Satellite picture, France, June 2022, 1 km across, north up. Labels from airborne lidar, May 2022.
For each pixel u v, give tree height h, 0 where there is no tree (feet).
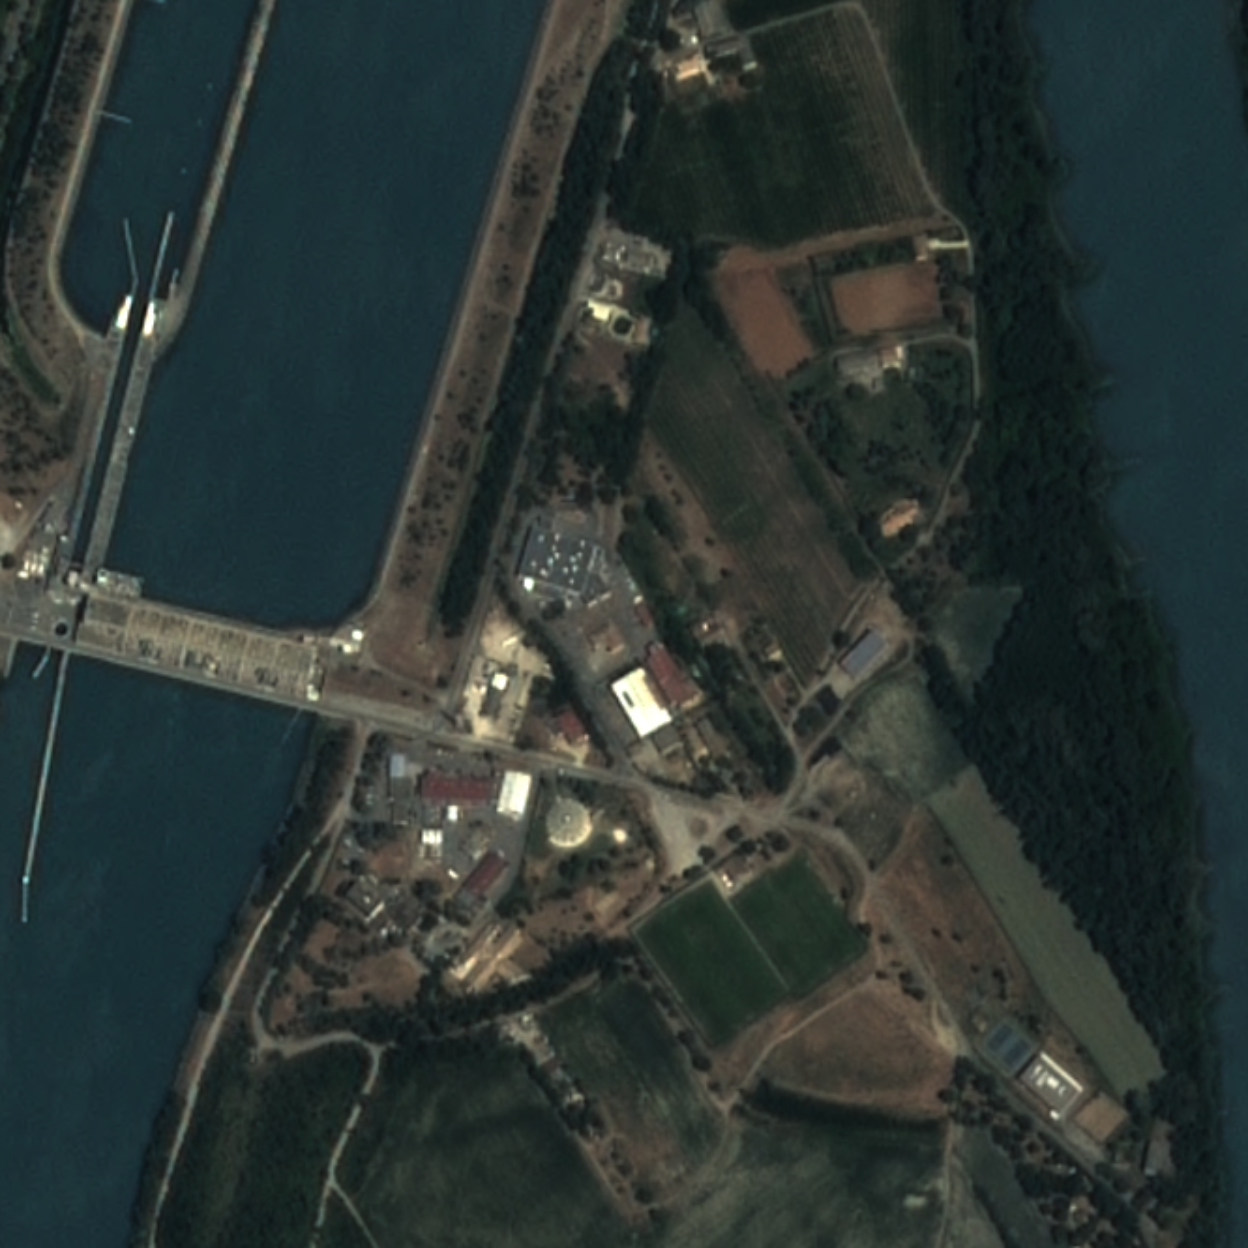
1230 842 0
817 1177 0
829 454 29
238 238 0
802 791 0
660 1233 0
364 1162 37
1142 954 69
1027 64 39
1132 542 0
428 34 0
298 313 0
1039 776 73
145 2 0
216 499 0
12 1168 0
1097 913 64
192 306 0
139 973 0
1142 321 0
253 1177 21
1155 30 0
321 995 23
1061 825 83
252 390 0
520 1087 0
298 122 0
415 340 0
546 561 0
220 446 0
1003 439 36
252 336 0
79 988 0
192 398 0
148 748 0
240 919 46
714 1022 0
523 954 0
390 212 0
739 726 42
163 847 0
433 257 0
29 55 55
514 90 0
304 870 22
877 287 0
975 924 0
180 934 0
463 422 21
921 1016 0
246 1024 26
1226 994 0
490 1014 46
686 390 0
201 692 0
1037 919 0
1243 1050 0
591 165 60
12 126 48
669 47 43
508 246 0
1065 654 71
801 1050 0
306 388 0
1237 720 0
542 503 29
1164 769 42
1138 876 89
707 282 42
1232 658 0
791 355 0
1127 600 18
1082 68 0
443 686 31
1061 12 0
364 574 0
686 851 0
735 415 0
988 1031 0
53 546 0
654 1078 0
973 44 69
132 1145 0
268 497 0
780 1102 18
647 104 48
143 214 0
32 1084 0
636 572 0
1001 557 47
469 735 0
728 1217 0
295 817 40
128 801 0
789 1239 0
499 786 0
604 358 0
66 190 0
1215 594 0
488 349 0
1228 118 0
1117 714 87
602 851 0
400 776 0
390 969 0
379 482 0
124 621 0
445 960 36
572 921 0
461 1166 0
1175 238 0
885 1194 0
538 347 26
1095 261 0
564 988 35
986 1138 0
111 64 0
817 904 0
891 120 0
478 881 0
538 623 23
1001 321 57
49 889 0
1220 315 0
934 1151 0
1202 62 0
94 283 0
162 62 0
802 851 0
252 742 0
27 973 0
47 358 0
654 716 0
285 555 0
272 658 0
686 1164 0
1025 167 38
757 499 0
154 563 0
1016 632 76
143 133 0
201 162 0
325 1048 24
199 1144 27
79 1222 0
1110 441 0
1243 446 0
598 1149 0
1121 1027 0
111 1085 0
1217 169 0
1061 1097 0
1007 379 74
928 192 0
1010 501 44
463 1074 0
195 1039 0
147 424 0
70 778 0
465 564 27
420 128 0
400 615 0
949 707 65
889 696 0
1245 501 0
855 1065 0
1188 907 68
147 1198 40
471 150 0
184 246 0
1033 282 81
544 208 0
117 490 0
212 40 0
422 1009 37
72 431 0
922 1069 0
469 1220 0
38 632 0
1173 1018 58
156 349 0
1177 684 0
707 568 0
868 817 0
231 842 0
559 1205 0
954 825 0
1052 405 58
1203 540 0
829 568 0
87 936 0
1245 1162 0
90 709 0
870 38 0
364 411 0
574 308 0
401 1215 0
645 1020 0
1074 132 0
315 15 0
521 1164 0
